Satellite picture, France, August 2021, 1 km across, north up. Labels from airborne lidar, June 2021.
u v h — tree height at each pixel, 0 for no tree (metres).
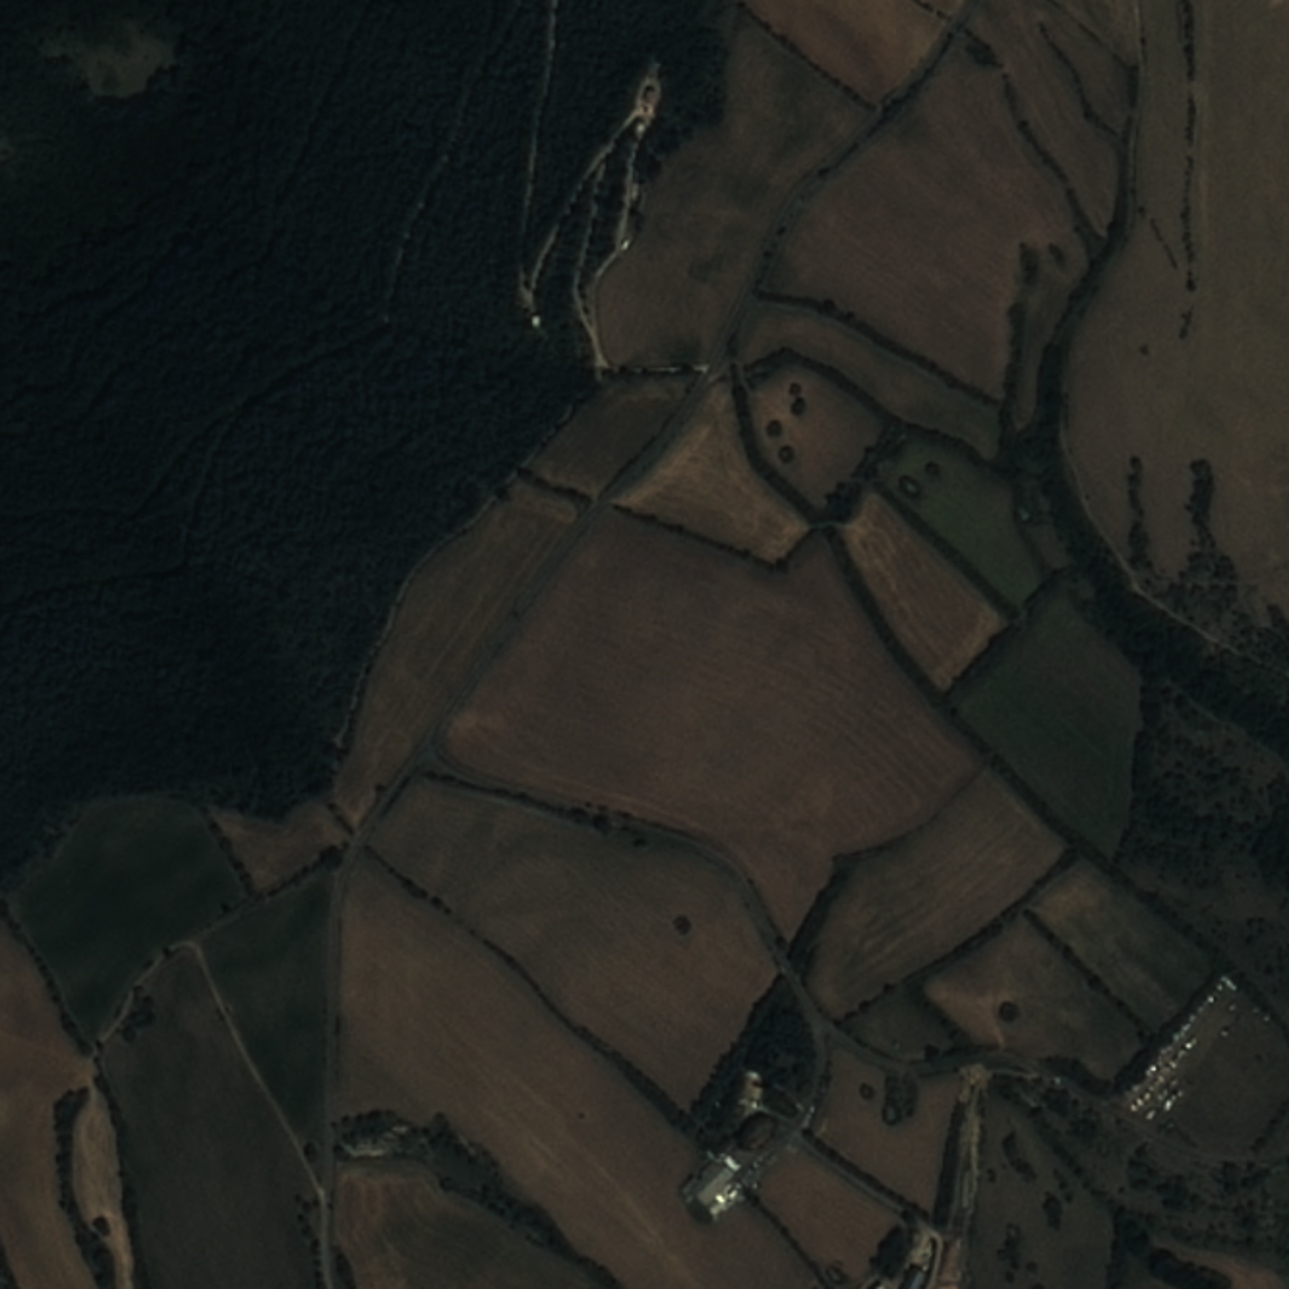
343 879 0
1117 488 0
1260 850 11
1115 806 0
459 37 12
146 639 12
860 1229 0
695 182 0
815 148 0
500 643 0
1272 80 0
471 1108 0
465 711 0
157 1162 0
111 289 21
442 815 0
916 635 0
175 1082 0
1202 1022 0
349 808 0
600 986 0
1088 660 0
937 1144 0
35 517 17
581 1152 0
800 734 0
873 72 0
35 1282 0
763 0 0
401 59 8
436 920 0
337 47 13
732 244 0
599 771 0
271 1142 0
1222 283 0
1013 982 0
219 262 16
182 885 0
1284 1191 0
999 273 0
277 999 0
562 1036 0
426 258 7
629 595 0
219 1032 0
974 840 0
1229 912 0
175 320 17
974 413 0
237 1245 0
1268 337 0
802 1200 0
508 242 8
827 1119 0
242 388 13
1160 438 0
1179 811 8
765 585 0
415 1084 0
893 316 0
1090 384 0
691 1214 0
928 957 0
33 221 21
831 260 0
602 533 0
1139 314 0
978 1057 0
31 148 10
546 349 6
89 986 0
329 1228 0
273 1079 0
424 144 10
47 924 0
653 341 0
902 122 0
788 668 0
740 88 0
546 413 7
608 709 0
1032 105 0
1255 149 0
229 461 10
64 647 10
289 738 9
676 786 0
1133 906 0
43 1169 0
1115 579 8
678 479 0
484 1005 0
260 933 0
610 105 7
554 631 0
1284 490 0
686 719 0
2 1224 0
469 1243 0
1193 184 0
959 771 0
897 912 0
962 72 0
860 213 0
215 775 7
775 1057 10
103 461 19
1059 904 0
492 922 0
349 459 11
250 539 7
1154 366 0
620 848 0
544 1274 0
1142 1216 7
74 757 10
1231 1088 0
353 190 11
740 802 0
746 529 0
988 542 0
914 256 0
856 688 0
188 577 15
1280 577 0
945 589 0
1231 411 0
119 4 8
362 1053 0
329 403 11
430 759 0
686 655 0
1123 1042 0
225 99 23
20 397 14
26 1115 0
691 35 6
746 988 0
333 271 8
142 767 8
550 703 0
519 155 7
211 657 19
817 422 0
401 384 10
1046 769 0
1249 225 0
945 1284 0
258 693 11
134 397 15
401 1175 0
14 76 9
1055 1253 0
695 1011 0
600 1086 0
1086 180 0
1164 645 14
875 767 0
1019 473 8
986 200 0
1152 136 0
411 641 0
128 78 0
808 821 0
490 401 7
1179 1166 0
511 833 0
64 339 21
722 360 0
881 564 0
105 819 0
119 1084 0
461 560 0
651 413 0
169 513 12
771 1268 0
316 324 16
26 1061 0
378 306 13
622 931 0
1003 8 0
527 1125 0
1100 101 0
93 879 0
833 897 6
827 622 0
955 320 0
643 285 0
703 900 0
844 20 0
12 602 9
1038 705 0
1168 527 0
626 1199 0
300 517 8
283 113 14
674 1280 0
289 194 14
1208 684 15
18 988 0
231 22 22
